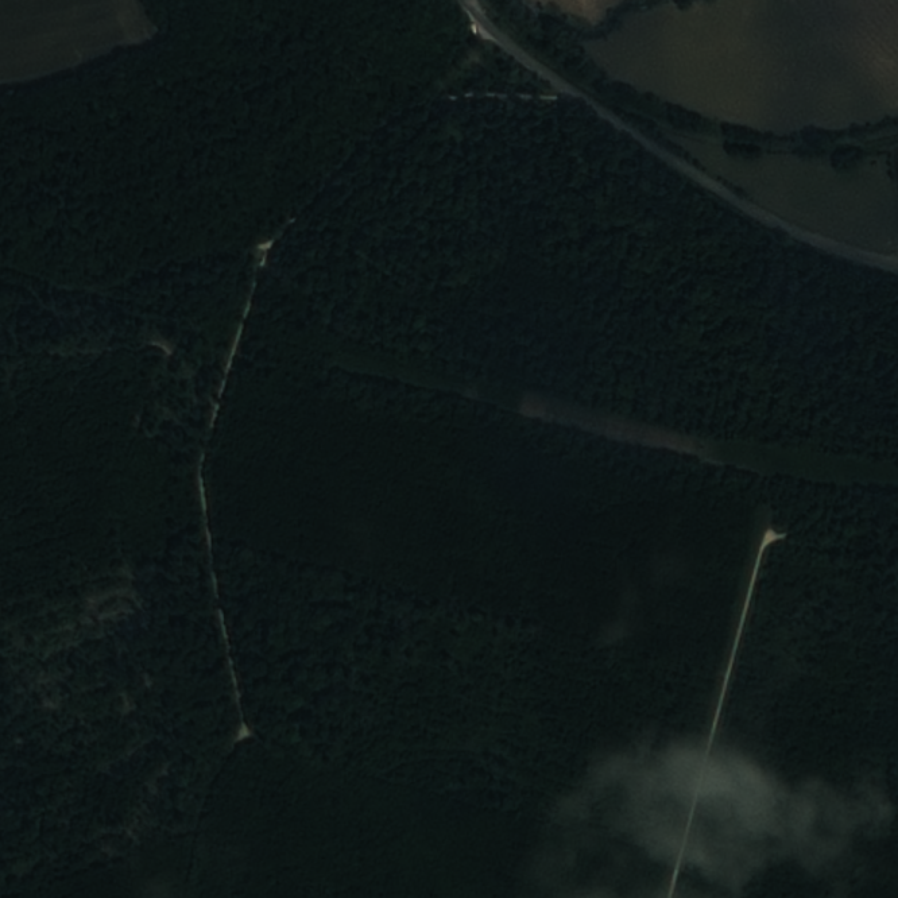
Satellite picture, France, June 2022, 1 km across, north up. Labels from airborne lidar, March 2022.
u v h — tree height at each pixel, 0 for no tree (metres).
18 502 10
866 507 20
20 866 0
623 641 9
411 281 23
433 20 14
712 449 0
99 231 25
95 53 0
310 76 24
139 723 36
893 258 0
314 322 20
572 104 23
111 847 0
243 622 29
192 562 36
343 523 11
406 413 17
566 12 0
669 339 20
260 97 23
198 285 31
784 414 13
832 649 10
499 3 15
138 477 12
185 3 15
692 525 12
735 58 0
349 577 17
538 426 13
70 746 0
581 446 16
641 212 22
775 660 8
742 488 10
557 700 8
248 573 18
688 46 0
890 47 0
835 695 8
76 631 0
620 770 10
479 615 20
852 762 5
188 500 17
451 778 6
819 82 0
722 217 25
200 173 23
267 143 22
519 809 11
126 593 0
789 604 6
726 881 10
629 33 0
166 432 35
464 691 13
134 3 0
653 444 0
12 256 24
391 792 8
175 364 28
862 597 9
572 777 8
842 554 20
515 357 20
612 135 26
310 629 21
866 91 0
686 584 9
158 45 16
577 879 6
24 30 0
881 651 8
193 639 34
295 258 25
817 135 19
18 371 0
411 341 18
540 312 18
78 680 0
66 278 17
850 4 0
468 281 19
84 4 0
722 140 0
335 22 25
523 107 25
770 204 0
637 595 11
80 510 9
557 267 15
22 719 0
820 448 13
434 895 10
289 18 22
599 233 24
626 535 12
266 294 21
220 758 8
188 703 36
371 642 23
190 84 20
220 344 8
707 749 0
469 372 18
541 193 22
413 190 23
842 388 17
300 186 17
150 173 25
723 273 13
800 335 30
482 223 21
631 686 8
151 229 23
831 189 0
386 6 20
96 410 9
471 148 21
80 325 35
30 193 19
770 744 7
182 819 32
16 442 7
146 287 27
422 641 18
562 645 8
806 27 0
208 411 18
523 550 10
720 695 0
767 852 10
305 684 23
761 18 0
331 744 21
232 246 13
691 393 19
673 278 22
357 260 24
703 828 8
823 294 29
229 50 23
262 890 8
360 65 23
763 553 0
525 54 0
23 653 0
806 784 8
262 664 26
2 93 17
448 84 0
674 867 0
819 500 10
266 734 26
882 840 13
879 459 15
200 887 12
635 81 0
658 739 12
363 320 21
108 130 23
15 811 31
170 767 0
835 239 0
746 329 28
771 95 0
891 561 23
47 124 21
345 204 19
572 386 15
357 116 24
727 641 6
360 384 18
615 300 16
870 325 25
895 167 0
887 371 28
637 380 18
